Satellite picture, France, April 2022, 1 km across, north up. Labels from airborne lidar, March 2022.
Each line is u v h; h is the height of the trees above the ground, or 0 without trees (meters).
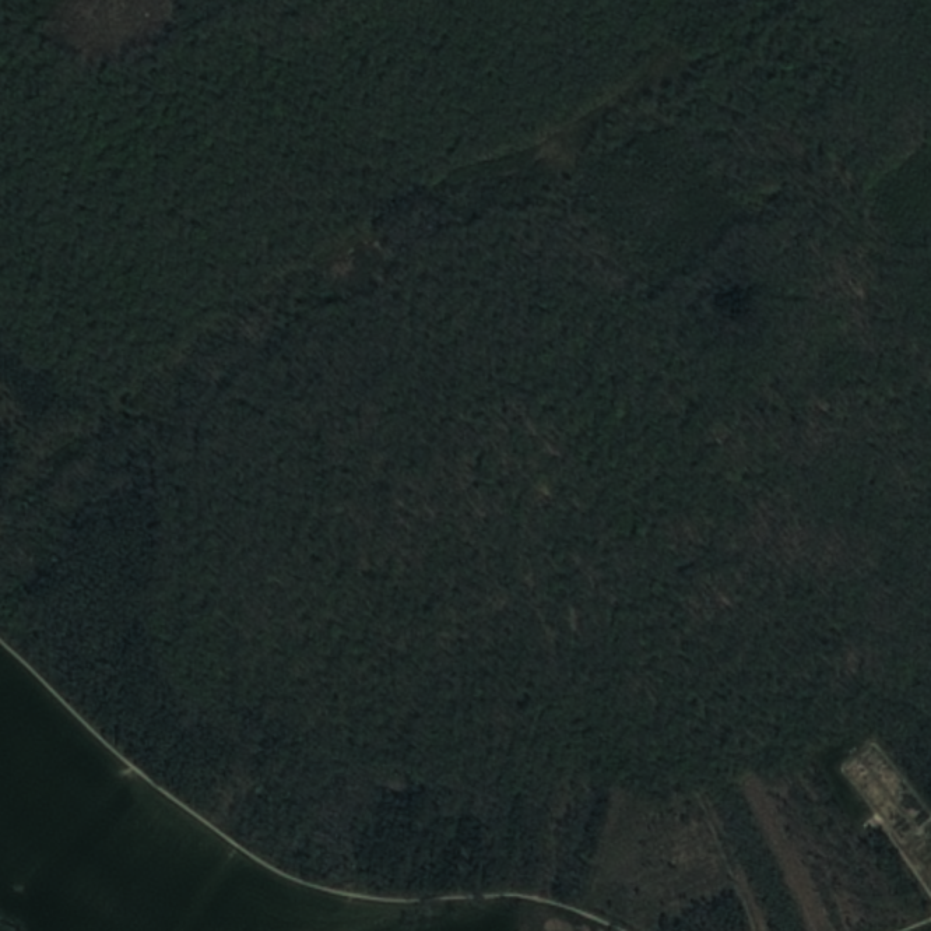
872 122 24
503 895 19
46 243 25
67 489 24
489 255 22
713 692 20
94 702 20
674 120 21
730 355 26
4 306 21
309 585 25
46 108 24
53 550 26
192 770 24
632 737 21
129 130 20
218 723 23
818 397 29
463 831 11
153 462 28
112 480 31
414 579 25
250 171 20
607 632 23
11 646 10
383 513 25
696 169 7
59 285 23
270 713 23
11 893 0
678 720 21
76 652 27
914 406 25
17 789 0
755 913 0
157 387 26
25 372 23
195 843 0
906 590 22
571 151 0
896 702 23
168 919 0
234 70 24
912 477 29
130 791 0
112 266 20
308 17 25
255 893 0
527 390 27
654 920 0
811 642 24
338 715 21
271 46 23
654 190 8
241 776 22
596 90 25
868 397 30
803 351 29
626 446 28
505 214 26
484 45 25
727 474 23
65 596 25
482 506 25
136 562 32
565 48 22
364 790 25
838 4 29
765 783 22
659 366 24
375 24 25
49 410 24
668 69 0
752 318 23
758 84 25
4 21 22
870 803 0
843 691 25
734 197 21
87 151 22
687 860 0
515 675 25
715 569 24
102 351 20
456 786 24
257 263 22
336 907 0
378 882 9
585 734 22
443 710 25
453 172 23
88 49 0
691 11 20
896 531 26
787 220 27
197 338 23
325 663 26
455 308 22
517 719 24
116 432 22
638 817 0
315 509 23
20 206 24
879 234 22
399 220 27
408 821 23
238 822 20
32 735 0
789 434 23
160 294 24
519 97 24
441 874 12
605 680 22
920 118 26
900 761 11
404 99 24
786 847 0
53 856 0
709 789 18
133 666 28
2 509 23
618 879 0
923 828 0
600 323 25
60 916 0
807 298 24
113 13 0
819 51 14
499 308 25
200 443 21
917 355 29
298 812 26
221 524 23
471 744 22
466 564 21
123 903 0
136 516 29
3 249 22
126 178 23
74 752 0
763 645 23
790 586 25
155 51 21
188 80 22
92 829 0
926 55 24
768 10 11
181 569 23
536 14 25
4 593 21
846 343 25
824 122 28
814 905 0
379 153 24
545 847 24
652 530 25
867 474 27
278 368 30
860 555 29
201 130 22
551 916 0
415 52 25
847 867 23
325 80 24
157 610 23
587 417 25
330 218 24
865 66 22
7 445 24
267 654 24
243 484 22
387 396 28
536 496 26
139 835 0
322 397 21
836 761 0
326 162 21
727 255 24
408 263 25
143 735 22
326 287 23
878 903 20
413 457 25
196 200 22
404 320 25
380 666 22
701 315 19
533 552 22
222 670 25
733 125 21
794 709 22
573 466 27
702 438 25
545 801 24
